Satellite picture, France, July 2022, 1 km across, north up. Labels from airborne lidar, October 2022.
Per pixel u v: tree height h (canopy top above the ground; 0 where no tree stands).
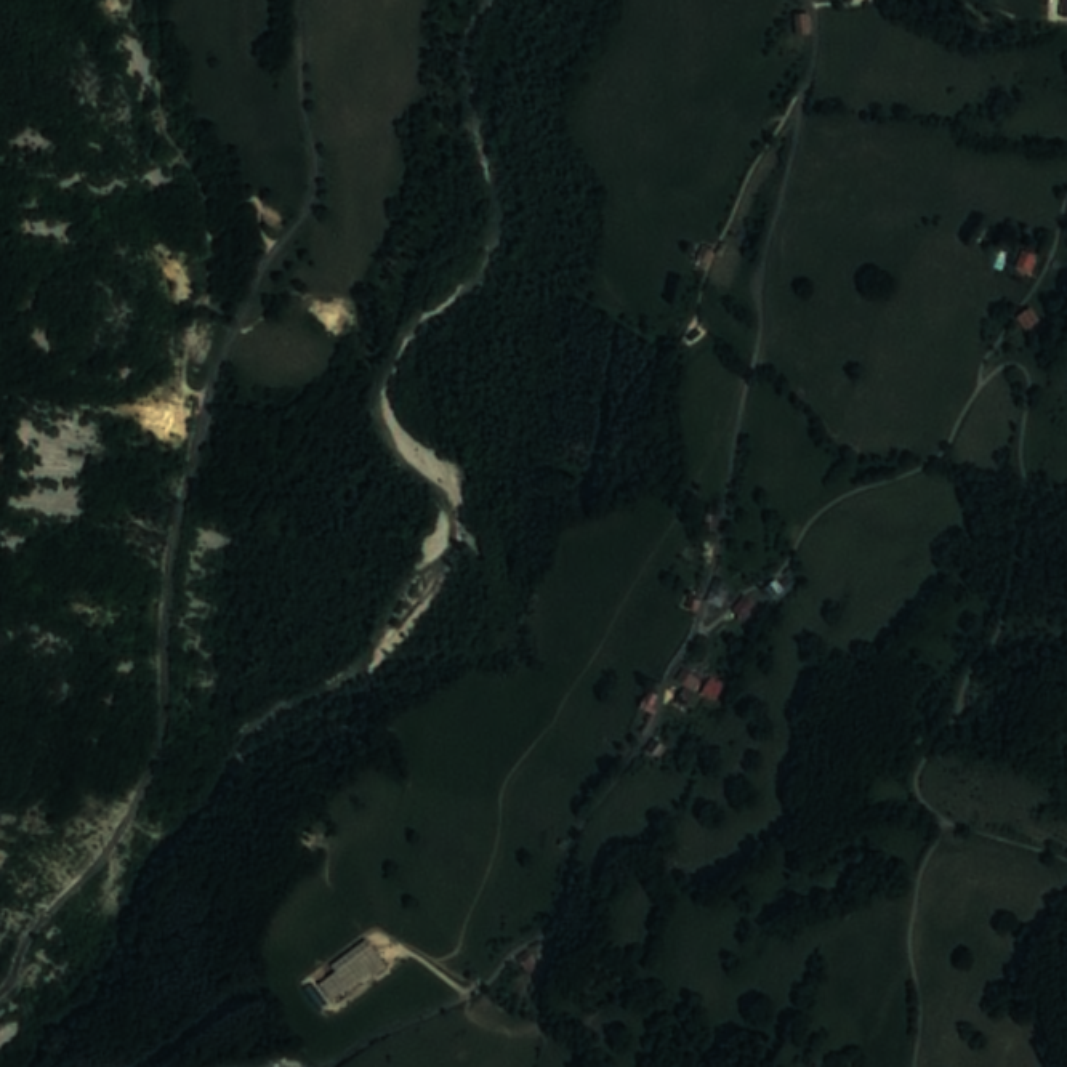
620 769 20
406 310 8
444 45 29
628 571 0
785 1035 17
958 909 0
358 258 0
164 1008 27
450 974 0
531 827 0
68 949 12
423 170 9
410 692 21
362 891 0
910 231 0
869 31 0
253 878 25
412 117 16
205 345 0
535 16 18
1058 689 28
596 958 19
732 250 0
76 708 20
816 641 19
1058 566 24
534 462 18
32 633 6
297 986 0
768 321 0
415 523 10
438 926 0
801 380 0
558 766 0
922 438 0
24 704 17
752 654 16
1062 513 17
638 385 26
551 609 0
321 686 9
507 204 12
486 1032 0
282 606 14
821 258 0
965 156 0
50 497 0
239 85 0
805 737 19
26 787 18
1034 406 10
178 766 24
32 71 15
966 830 18
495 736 0
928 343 0
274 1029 13
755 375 22
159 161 12
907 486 0
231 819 31
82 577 16
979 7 8
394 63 0
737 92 0
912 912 0
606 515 17
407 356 9
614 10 13
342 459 17
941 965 0
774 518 15
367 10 0
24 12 14
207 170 18
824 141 0
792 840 28
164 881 23
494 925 0
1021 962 13
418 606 0
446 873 0
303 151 0
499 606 15
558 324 13
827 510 0
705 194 0
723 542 6
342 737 23
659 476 17
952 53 18
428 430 11
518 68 15
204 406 0
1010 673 29
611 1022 0
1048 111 0
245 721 12
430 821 0
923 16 24
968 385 0
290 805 31
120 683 13
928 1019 0
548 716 0
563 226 21
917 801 7
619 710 0
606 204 17
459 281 11
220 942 30
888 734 23
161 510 22
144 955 30
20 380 19
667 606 0
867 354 0
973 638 13
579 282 9
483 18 14
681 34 0
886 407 0
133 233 15
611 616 0
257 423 21
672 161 0
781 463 0
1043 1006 31
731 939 0
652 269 0
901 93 0
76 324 20
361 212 0
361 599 18
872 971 0
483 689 0
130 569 16
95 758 21
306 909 0
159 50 12
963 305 0
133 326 11
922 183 0
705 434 0
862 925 0
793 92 9
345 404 20
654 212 0
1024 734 23
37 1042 11
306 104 11
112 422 9
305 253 15
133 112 14
